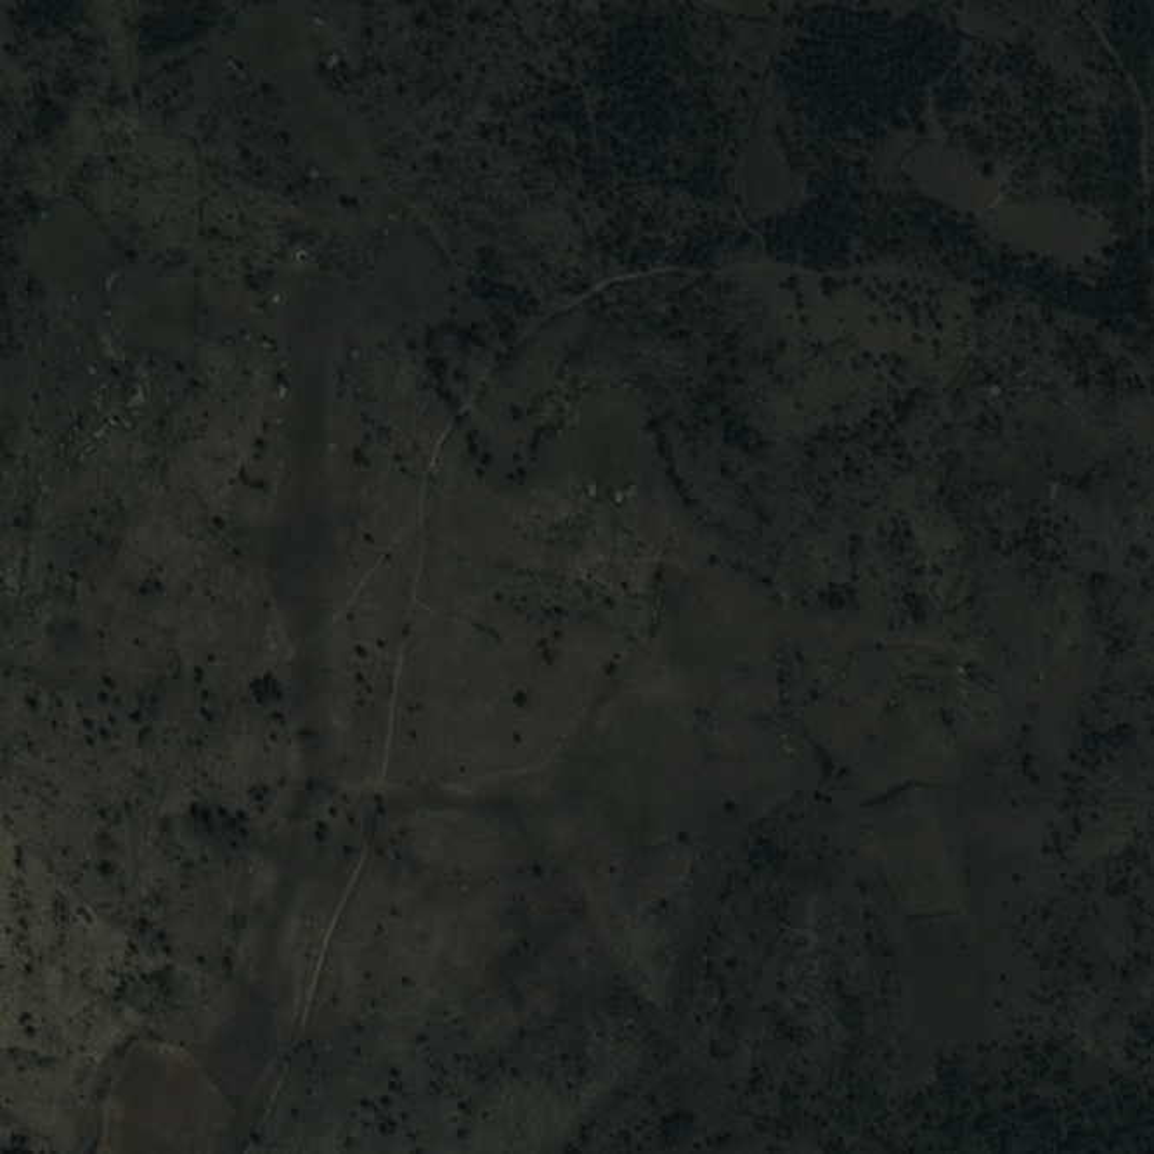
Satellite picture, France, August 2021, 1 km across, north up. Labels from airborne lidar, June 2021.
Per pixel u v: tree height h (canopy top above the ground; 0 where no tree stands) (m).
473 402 0
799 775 0
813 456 8
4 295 10
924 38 9
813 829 0
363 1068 0
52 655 0
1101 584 8
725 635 0
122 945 0
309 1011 0
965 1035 0
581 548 0
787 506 0
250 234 0
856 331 0
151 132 0
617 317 10
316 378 0
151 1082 0
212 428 0
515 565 0
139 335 0
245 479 9
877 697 0
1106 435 0
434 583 0
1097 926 0
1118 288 10
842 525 0
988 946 0
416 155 0
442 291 0
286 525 0
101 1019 0
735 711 0
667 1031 0
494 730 0
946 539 0
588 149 9
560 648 0
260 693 10
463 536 0
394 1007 0
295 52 0
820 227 10
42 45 0
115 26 0
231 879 0
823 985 0
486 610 0
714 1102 0
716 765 0
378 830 0
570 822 0
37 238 0
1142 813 0
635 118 8
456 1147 0
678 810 0
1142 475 0
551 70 6
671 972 0
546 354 0
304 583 0
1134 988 0
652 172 6
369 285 0
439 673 0
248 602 0
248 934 0
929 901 0
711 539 0
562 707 0
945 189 0
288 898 0
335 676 0
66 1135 0
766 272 0
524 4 0
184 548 0
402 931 0
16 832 0
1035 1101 6
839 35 8
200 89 0
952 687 0
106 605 0
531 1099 0
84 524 0
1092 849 0
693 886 0
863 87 7
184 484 0
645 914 0
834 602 8
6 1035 0
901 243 9
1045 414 0
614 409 0
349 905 0
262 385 0
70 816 0
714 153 8
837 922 0
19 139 7
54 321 0
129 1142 0
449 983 0
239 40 0
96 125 0
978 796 0
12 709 0
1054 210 0
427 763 0
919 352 0
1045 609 0
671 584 0
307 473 0
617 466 0
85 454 0
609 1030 0
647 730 0
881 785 0
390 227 0
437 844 0
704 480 0
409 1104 0
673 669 0
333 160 0
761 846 7
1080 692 0
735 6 0
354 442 0
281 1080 0
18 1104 0
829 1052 0
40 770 0
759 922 0
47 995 0
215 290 0
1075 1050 0
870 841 0
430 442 0
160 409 0
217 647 0
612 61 8
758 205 0
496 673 0
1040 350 7
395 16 0
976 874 0
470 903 0
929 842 0
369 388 0
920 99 6
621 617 0
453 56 0
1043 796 0
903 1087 0
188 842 0
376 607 0
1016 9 0
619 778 0
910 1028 0
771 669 0
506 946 0
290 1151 0
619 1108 0
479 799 0
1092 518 0
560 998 0
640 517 0
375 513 0
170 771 0
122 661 0
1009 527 0
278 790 0
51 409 0
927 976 0
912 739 0
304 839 0
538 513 0
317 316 0
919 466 0
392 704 0
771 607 0
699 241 6
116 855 0
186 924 0
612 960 0
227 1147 0
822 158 9
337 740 0
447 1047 0
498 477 0
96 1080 0
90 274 0
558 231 0
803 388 0
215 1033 0
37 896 0
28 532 0
